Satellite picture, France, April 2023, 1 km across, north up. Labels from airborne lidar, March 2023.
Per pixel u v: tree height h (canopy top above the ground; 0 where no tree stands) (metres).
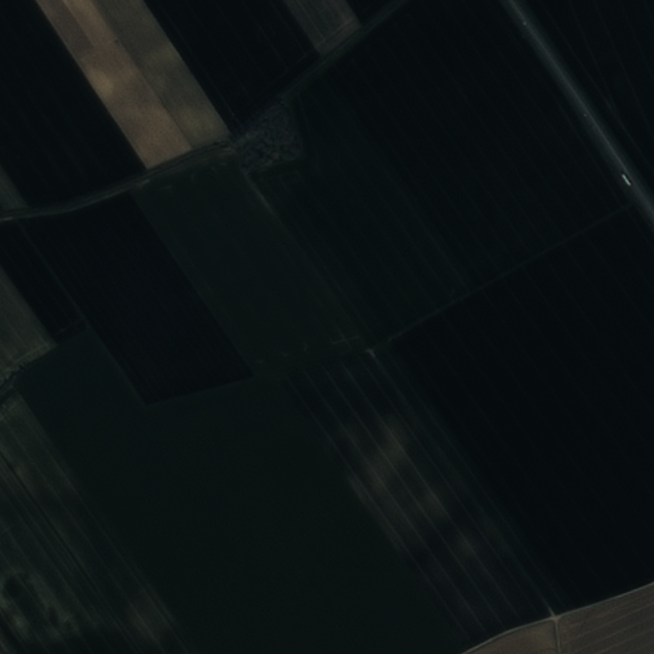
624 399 0
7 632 0
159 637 0
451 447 0
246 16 0
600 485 0
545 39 0
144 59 0
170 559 0
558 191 0
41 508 0
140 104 0
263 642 0
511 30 0
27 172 0
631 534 0
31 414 0
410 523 0
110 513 0
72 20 0
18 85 0
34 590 0
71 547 0
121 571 0
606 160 0
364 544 0
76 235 0
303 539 0
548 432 0
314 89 0
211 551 0
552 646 0
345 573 0
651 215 0
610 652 0
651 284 0
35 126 0
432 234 0
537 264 0
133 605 0
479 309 0
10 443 0
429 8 0
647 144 0
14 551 0
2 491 0
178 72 0
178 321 0
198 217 0
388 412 0
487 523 0
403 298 0
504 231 0
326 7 0
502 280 0
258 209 0
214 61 0
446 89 0
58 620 0
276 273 0
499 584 0
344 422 0
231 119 0
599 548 0
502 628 0
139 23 0
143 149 0
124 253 0
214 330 0
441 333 0
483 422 0
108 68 0
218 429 0
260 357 0
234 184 0
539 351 0
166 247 0
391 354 0
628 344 0
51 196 0
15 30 0
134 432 0
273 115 20
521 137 0
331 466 0
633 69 0
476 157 0
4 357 0
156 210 0
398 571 0
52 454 0
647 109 0
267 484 0
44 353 0
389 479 0
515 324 0
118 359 0
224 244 0
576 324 0
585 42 0
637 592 0
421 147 0
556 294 0
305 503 0
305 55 0
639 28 0
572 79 0
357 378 0
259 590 0
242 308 0
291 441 0
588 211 0
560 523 0
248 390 0
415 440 0
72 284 0
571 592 0
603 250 0
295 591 0
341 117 0
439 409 0
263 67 0
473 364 0
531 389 0
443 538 0
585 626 0
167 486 0
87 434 0
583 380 0
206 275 0
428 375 0
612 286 0
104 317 0
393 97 0
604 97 0
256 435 0
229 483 0
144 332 0
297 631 0
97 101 0
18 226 0
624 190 0
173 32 0
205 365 0
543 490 0
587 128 0
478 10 0
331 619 0
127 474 0
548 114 0
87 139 0
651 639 0
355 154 0
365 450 0
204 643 0
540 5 0
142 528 0
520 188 0
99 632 0
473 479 0
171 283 0
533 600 0
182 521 0
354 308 0
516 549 0
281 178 0
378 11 0
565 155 0
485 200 0
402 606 0
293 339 0
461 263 0
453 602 0
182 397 0
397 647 0
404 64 0
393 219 0
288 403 0
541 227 0
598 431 0
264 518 0
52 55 0
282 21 0
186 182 0
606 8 0
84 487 0
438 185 0
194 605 0
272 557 0
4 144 0
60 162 0
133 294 0
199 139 0
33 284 0
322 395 0
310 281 0
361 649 0
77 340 0
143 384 0
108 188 0
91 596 0
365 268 0
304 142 0
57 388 0
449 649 0
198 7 0
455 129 0
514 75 0
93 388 0
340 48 0
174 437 0
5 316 0
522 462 0
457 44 0
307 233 0
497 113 0
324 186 0
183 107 0
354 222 0
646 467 0
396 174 0
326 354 0
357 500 0
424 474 0
